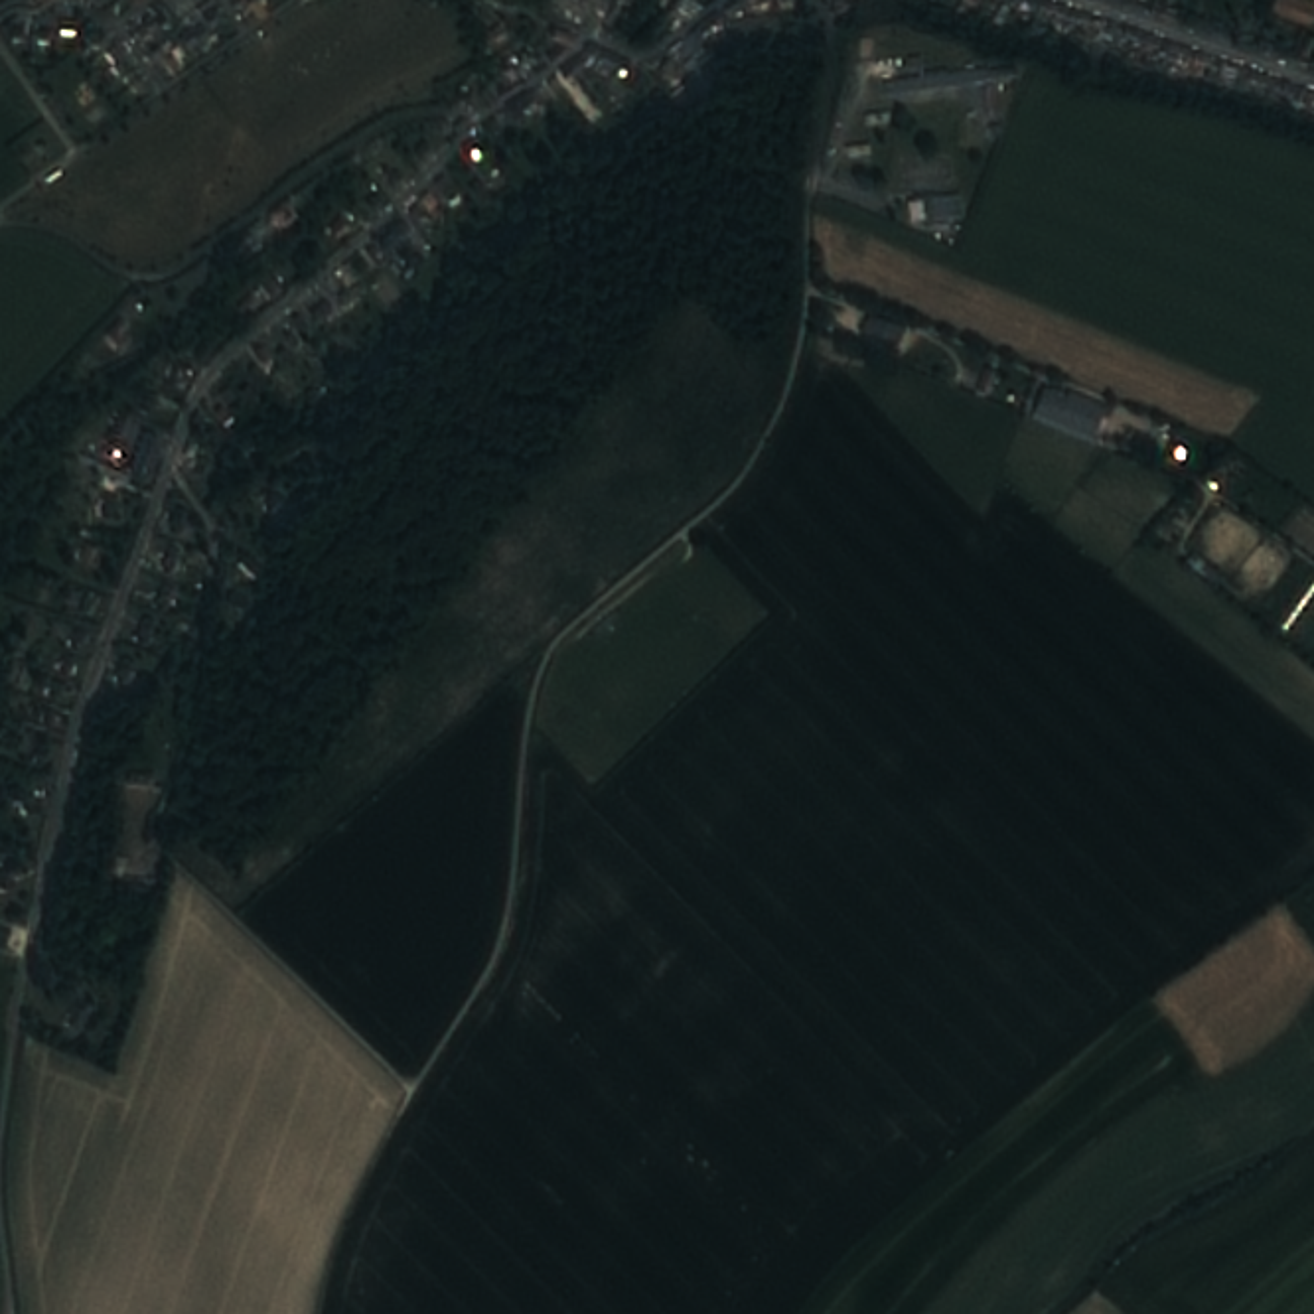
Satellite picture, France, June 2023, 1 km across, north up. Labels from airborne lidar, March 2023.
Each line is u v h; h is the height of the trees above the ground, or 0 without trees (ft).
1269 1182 0
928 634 0
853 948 0
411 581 63
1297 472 0
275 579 33
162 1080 0
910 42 0
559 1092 0
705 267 69
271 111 0
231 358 0
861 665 0
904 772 0
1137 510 0
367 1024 0
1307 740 0
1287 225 0
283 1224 0
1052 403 0
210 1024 0
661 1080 0
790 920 0
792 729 0
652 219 50
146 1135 0
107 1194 0
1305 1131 0
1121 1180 0
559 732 0
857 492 0
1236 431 0
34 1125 0
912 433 0
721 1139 0
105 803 33
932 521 0
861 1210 0
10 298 0
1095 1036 0
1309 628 0
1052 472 0
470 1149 0
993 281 0
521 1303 0
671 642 0
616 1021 0
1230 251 0
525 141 34
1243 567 0
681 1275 0
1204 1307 0
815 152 0
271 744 38
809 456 0
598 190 67
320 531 73
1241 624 0
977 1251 0
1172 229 0
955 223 0
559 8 0
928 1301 0
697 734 0
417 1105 0
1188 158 0
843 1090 0
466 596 0
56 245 0
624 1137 0
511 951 0
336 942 0
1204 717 0
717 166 48
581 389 61
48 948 39
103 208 0
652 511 0
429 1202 0
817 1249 0
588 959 0
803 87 44
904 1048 0
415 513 76
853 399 0
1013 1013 0
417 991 0
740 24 0
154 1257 0
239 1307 0
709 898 0
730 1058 0
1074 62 47
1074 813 0
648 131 59
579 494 0
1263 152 0
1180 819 0
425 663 0
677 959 0
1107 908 0
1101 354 0
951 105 0
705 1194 0
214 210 0
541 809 0
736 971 0
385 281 0
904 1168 0
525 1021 0
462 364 80
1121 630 0
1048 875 0
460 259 69
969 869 0
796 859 0
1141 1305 0
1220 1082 0
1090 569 0
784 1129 0
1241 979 0
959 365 0
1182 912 0
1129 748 0
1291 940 0
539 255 71
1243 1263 0
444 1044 0
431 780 0
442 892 0
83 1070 0
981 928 0
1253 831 0
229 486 43
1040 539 0
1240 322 0
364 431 78
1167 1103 0
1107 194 0
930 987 0
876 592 0
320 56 0
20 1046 0
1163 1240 0
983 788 0
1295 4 0
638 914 0
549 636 0
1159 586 0
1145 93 35
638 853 0
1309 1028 0
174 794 47
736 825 0
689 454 0
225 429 23
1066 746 0
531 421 62
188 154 0
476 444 81
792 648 0
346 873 0
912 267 0
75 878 35
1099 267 0
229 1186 0
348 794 0
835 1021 0
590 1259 0
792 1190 0
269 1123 0
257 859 0
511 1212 0
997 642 0
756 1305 0
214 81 0
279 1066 0
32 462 32
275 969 0
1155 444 57
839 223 0
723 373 0
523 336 49
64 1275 0
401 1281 0
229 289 31
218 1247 0
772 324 35
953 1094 0
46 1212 0
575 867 0
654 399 0
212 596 56
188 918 0
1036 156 0
